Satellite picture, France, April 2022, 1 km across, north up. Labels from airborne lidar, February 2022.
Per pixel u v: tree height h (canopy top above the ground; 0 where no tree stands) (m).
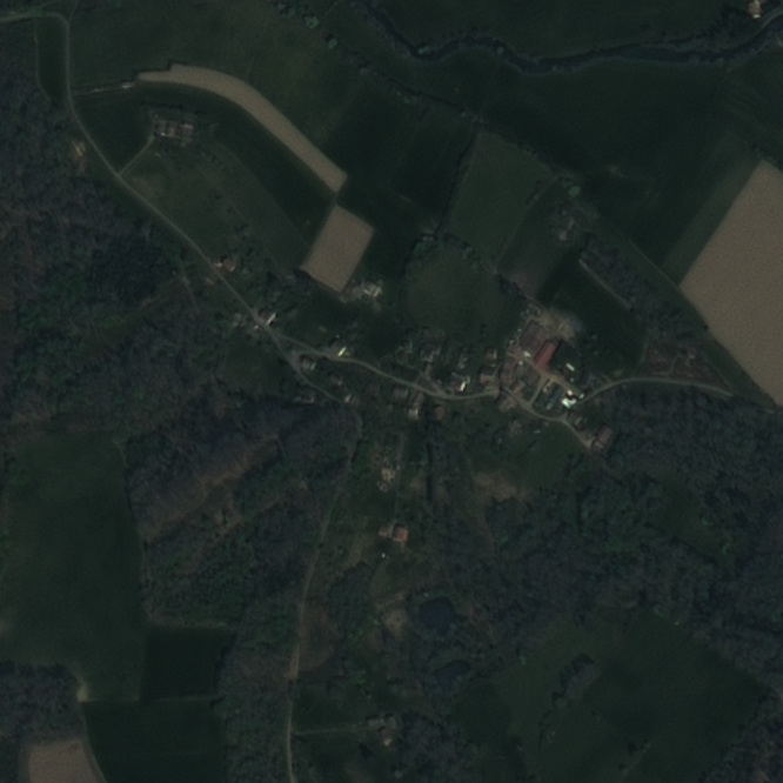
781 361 0
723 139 0
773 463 17
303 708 0
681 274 0
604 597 26
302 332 0
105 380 24
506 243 0
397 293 0
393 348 0
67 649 0
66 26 0
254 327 0
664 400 5
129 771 0
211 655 0
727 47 9
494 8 0
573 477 19
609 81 0
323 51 0
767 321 0
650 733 0
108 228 36
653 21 0
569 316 0
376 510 0
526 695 0
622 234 0
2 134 22
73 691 24
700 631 21
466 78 0
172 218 0
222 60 0
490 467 0
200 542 17
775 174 0
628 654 0
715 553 0
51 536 0
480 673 0
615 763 0
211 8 0
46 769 0
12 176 28
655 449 19
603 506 23
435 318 0
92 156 0
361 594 19
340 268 0
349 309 0
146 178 0
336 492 29
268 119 0
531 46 0
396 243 0
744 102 0
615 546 22
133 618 0
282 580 30
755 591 27
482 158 0
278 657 29
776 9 0
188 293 0
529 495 0
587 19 0
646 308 14
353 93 0
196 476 30
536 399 0
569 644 0
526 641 30
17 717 25
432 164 0
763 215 0
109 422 23
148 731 0
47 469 0
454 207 6
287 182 0
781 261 0
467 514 0
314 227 0
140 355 30
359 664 9
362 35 0
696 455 23
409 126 0
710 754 0
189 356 25
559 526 27
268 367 0
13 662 0
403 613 0
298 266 0
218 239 0
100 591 0
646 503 25
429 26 0
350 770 0
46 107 28
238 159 0
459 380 0
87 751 0
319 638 0
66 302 28
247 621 22
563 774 0
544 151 0
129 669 0
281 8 10
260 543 29
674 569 29
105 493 0
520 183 0
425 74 0
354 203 0
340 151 0
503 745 0
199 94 0
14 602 0
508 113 0
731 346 0
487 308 0
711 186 0
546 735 6
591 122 0
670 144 0
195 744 0
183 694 0
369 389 6
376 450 17
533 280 0
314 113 0
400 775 12
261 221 0
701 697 0
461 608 6
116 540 0
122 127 0
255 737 23
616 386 0
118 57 0
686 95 0
